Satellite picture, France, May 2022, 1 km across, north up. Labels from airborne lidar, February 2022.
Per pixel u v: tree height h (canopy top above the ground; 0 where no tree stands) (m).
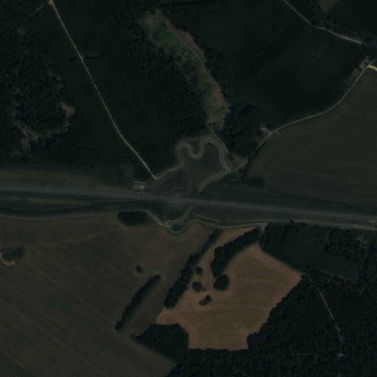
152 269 0
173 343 19
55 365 0
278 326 22
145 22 0
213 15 0
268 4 0
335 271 0
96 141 9
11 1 22
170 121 9
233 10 0
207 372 12
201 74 0
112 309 0
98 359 0
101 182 0
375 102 0
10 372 0
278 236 0
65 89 20
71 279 0
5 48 20
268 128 17
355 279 0
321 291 26
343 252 16
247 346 0
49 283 0
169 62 23
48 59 19
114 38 11
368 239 0
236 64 0
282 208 0
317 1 17
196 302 0
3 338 0
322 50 0
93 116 10
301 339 11
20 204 0
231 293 0
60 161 8
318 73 0
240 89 0
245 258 0
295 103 0
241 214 0
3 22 19
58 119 26
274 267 0
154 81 7
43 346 0
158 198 0
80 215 0
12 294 0
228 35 0
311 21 0
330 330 30
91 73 9
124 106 10
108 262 0
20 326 0
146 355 0
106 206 0
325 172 0
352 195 0
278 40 0
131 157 7
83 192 0
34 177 0
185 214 0
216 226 0
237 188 0
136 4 25
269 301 0
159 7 19
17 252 0
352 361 26
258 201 0
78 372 0
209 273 0
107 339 0
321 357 28
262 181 0
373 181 0
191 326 0
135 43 22
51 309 0
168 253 0
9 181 0
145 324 0
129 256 0
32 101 26
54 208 0
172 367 0
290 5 0
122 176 0
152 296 0
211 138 0
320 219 0
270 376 17
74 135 11
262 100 0
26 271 0
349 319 9
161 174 0
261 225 0
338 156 0
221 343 0
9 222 0
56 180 0
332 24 14
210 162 0
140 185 0
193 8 20
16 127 29
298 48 0
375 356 28
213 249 0
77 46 9
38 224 0
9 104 30
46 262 0
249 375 28
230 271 0
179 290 18
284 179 0
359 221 0
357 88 0
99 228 0
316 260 0
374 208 0
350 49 0
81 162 7
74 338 0
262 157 0
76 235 0
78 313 0
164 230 0
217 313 0
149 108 8
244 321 0
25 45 24
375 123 0
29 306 0
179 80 14
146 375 0
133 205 0
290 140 0
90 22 11
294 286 0
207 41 0
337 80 0
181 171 0
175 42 0
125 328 0
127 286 0
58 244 0
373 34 0
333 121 0
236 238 0
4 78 26
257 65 0
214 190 0
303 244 0
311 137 0
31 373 0
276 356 28
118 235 0
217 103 0
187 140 0
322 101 0
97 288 0
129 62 11
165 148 9
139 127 8
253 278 0
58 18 8
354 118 0
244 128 28
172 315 0
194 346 0
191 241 0
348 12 0
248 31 0
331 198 0
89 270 0
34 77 27
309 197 0
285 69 0
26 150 27
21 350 0
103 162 7
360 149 0
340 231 17
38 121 25
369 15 0
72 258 0
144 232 0
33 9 20
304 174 0
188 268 10
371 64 0
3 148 26
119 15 21
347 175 0
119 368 0
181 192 0
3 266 0
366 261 19
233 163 0
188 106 21
